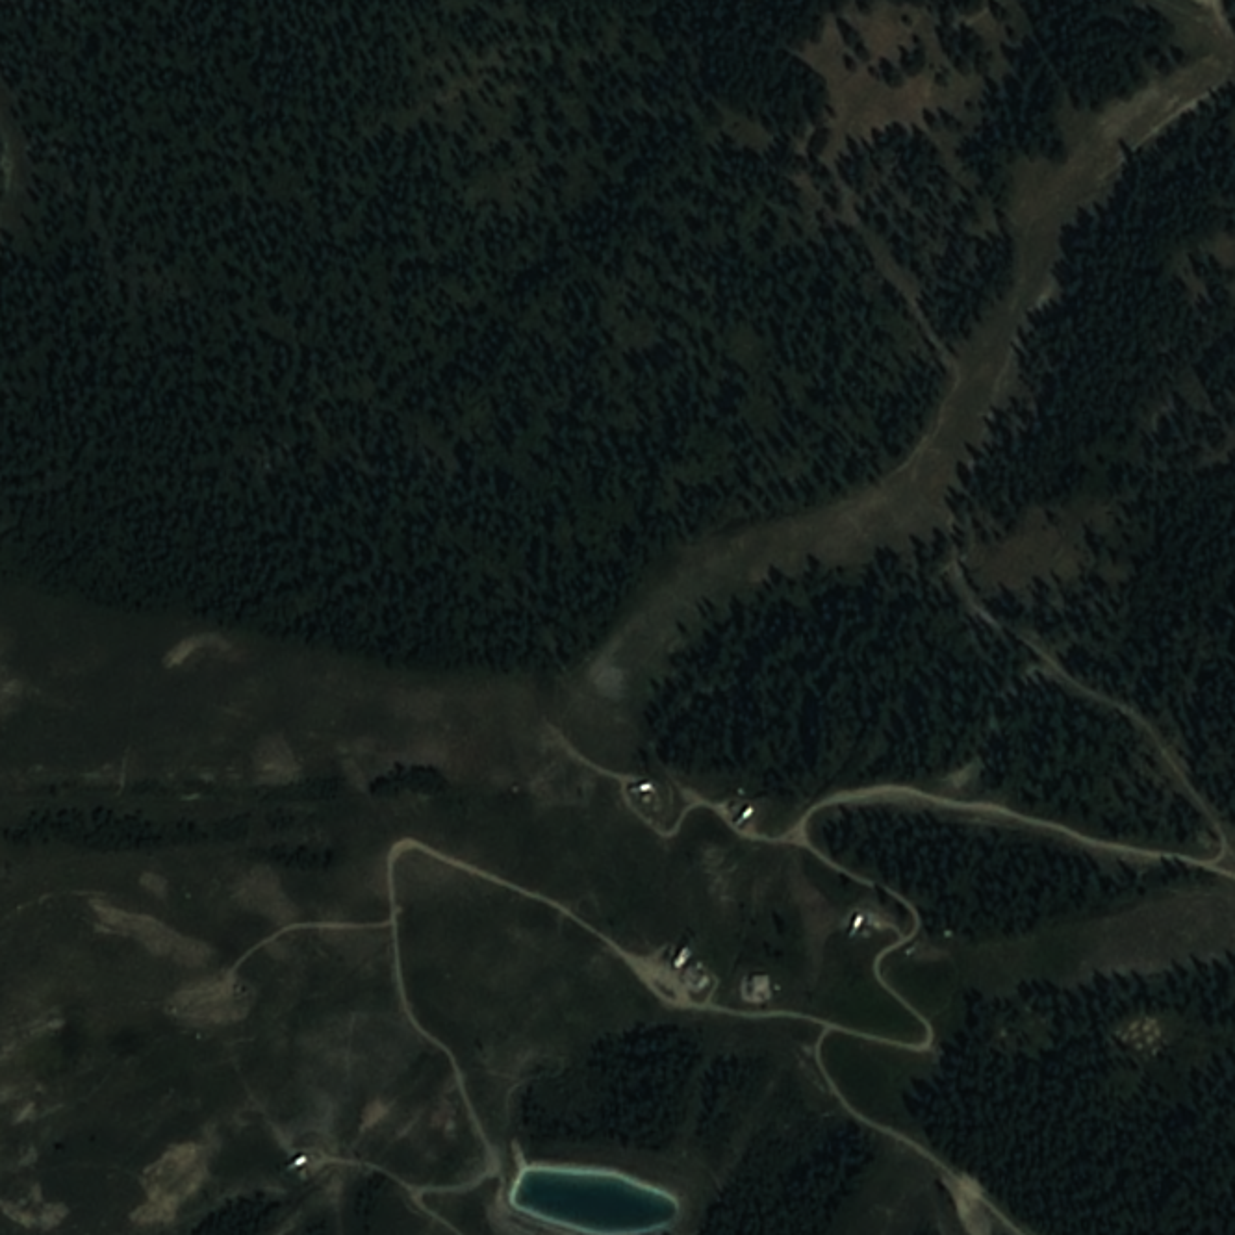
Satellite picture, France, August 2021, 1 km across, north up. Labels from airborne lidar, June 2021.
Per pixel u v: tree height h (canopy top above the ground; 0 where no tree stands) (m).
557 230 10
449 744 0
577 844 0
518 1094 0
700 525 16
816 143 8
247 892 0
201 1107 0
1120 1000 19
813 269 28
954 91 0
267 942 0
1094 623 24
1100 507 0
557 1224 0
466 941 0
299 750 0
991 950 0
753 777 19
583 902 0
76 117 21
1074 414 20
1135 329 30
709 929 0
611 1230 0
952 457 0
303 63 28
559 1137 7
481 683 0
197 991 0
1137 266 32
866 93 0
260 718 0
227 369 18
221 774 0
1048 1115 16
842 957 0
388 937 0
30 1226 0
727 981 0
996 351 0
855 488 28
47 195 18
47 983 0
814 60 0
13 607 0
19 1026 0
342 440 20
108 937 0
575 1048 0
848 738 7
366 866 0
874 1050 0
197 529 13
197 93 13
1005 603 0
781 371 8
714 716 25
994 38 0
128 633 0
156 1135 0
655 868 0
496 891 0
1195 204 31
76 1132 0
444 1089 0
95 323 7
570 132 29
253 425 26
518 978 0
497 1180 0
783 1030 0
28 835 7
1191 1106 0
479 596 0
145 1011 0
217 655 0
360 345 21
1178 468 15
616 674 0
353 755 0
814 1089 0
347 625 15
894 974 0
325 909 0
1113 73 30
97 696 0
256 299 19
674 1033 10
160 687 0
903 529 0
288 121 20
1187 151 26
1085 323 32
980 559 0
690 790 0
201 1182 0
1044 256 0
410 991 0
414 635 14
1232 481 19
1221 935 0
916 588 26
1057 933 0
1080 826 0
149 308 20
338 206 7
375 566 23
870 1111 0
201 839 7
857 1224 0
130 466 10
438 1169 0
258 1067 0
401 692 0
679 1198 0
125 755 0
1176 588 8
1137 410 24
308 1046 0
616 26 22
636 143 24
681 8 13
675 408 25
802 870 0
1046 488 17
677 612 0
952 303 23
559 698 0
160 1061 0
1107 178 0
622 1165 0
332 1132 0
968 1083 19
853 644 33
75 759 0
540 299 23
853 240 25
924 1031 0
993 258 24
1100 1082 24
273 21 21
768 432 0
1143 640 7
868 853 22
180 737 0
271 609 16
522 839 0
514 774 0
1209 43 0
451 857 0
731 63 31
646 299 24
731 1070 9
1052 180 0
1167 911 0
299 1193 0
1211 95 0
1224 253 0
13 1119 0
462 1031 0
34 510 14
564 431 29
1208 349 26
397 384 20
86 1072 0
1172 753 0
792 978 0
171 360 21
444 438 7
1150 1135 19
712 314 27
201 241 23
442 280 21
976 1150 20
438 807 0
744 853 0
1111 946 0
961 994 0
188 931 0
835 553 0
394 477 23
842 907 0
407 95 18
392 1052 0
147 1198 0
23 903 0
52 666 0
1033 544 0
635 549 27
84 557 8
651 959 0
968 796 0
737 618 6
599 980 0
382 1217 0
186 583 9
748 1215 6
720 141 0
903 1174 0
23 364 22
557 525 26
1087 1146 17
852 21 0
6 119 0
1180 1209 14
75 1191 0
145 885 0
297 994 0
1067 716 6
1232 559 13
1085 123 0
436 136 23
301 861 10
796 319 29
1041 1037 0
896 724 0
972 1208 0
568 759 0
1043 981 0
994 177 20
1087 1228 17
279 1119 0
